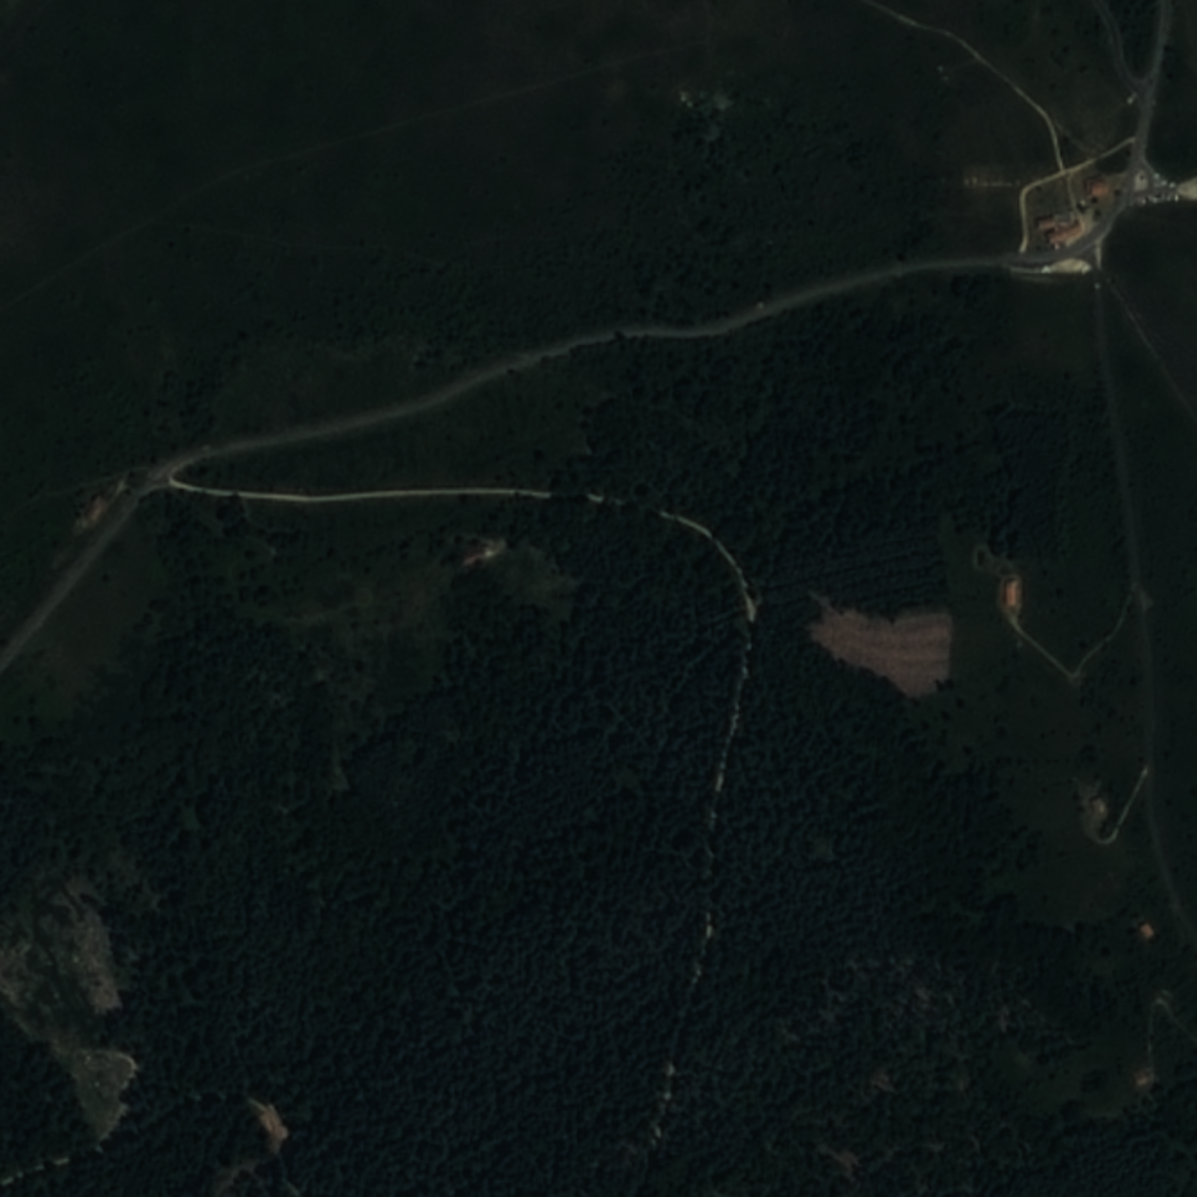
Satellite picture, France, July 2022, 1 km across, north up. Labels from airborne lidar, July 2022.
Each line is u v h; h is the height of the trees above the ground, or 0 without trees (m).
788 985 20
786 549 15
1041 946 13
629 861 22
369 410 0
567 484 13
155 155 0
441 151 0
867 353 12
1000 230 0
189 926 18
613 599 16
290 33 0
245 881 17
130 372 0
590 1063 15
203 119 0
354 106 0
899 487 14
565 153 0
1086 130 0
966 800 13
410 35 0
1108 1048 0
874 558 14
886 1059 20
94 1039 0
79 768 8
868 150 8
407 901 16
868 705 9
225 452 0
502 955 24
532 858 22
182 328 0
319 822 18
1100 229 0
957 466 10
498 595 10
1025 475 15
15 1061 18
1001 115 0
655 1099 15
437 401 0
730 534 17
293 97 0
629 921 22
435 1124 23
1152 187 0
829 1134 15
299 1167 19
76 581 0
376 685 0
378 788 17
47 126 0
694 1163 18
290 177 0
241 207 0
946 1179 15
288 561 6
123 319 0
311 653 8
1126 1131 11
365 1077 22
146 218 0
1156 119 0
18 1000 0
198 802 9
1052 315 0
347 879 20
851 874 14
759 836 22
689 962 21
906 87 0
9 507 0
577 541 14
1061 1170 17
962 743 0
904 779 17
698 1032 18
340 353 6
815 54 0
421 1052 25
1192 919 0
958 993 14
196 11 0
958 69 0
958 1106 17
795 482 16
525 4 0
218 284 0
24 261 0
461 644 14
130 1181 23
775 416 9
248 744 17
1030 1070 0
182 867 19
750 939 18
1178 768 0
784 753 12
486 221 0
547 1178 16
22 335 0
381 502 0
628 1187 23
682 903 19
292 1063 12
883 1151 14
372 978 21
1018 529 12
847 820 17
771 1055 24
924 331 10
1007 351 0
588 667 19
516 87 0
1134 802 0
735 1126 21
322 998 22
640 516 18
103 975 0
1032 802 0
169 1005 21
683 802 19
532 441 0
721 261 7
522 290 0
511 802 22
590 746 19
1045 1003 15
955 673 0
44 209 0
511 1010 19
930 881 19
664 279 6
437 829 20
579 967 18
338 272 0
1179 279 0
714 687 20
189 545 11
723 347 6
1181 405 0
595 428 11
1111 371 0
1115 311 0
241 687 13
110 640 0
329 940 18
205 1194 23
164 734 9
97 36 0
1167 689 0
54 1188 22
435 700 19
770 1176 13
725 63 0
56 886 0
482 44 0
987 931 12
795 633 15
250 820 12
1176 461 0
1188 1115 8
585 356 8
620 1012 24
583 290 5
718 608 14
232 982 26
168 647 10
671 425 15
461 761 18
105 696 0
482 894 22
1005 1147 16
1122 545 6
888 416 12
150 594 0
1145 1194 18
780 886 15
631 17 0
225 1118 26
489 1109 25
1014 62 0
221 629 11
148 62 0
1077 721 0
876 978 21
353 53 0
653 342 9
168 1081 23
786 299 0
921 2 0
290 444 0
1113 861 0
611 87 0
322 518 0
